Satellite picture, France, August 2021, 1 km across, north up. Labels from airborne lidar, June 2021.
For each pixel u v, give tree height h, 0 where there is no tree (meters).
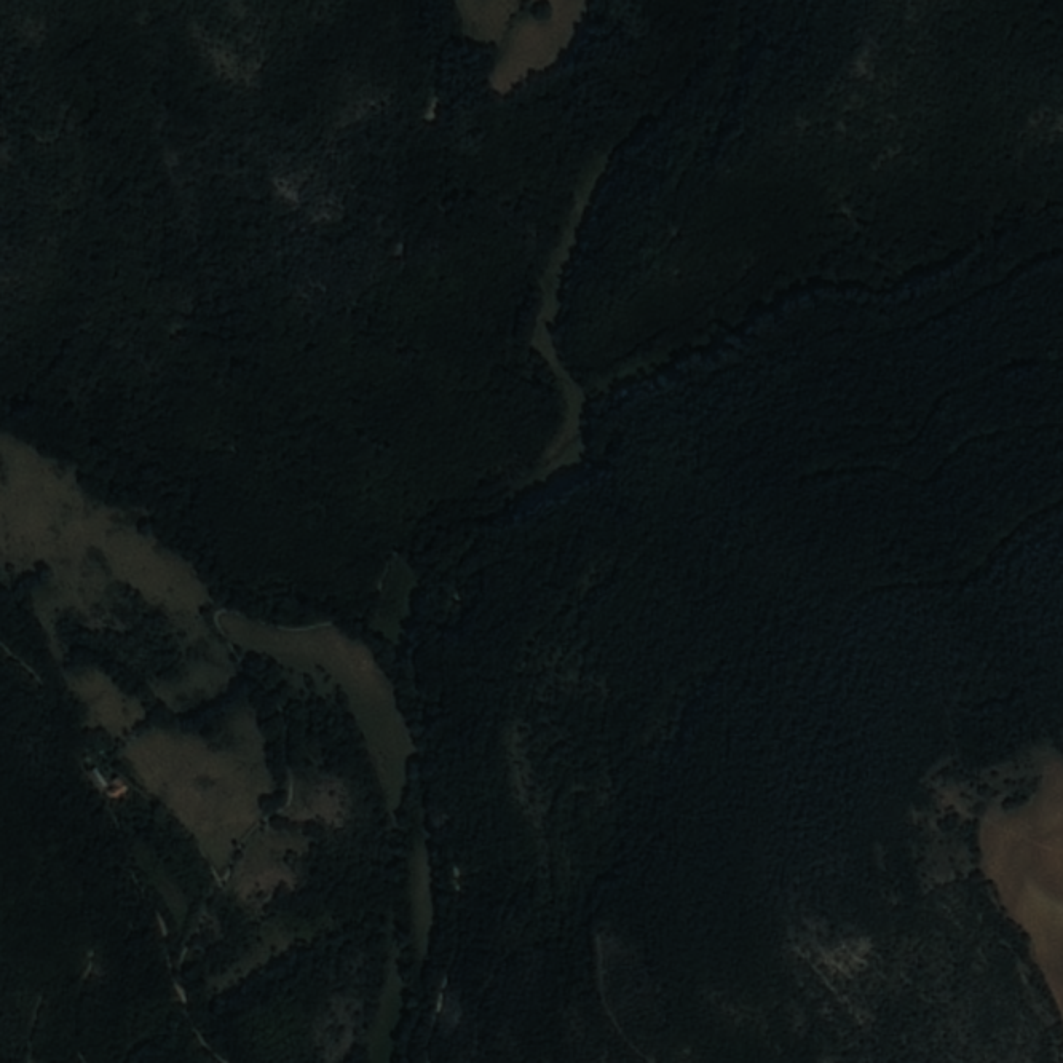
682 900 10
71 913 14
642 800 14
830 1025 7
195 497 14
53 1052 16
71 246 13
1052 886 0
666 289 12
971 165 15
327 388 19
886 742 6
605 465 7
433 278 12
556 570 12
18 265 7
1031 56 12
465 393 11
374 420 24
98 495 19
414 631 23
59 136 7
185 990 10
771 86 14
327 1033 7
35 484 0
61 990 10
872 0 8
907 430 23
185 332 15
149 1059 19
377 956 14
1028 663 8
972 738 14
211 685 0
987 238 23
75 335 19
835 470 16
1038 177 20
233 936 12
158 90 12
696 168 12
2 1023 8
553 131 19
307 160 8
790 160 11
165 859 8
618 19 22
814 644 10
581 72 24
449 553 14
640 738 9
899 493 17
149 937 15
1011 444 14
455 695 24
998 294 20
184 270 20
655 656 11
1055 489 18
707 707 13
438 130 16
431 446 21
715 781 10
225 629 0
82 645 10
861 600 7
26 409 28
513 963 6
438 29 35
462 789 15
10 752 14
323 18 9
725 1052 9
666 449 12
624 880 18
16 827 22
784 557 9
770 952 7
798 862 7
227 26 7
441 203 11
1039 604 6
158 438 11
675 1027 9
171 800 0
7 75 8
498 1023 6
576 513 20
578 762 10
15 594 10
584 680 6
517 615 14
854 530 16
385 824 17
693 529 14
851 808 6
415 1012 19
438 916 13
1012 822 0
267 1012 12
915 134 11
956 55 13
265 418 19
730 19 22
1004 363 17
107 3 12
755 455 21
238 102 9
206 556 13
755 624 13
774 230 15
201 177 12
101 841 16
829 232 11
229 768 0
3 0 6
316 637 0
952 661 7
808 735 8
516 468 13
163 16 11
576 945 9
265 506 12
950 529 21
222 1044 17
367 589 12
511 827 12
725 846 10
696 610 12
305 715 8
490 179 23
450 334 22
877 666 7
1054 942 0
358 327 15
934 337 22
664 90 28
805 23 11
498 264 18
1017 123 7
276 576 15
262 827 6
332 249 16
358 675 0
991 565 13
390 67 11
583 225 10
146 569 0
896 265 7
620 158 11
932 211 21
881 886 6
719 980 7
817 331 23
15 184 8
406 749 0
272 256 12
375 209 12
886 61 7
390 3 18
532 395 15
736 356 33
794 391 20
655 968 12
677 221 14
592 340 11
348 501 19
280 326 17
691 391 20
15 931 12
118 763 10
